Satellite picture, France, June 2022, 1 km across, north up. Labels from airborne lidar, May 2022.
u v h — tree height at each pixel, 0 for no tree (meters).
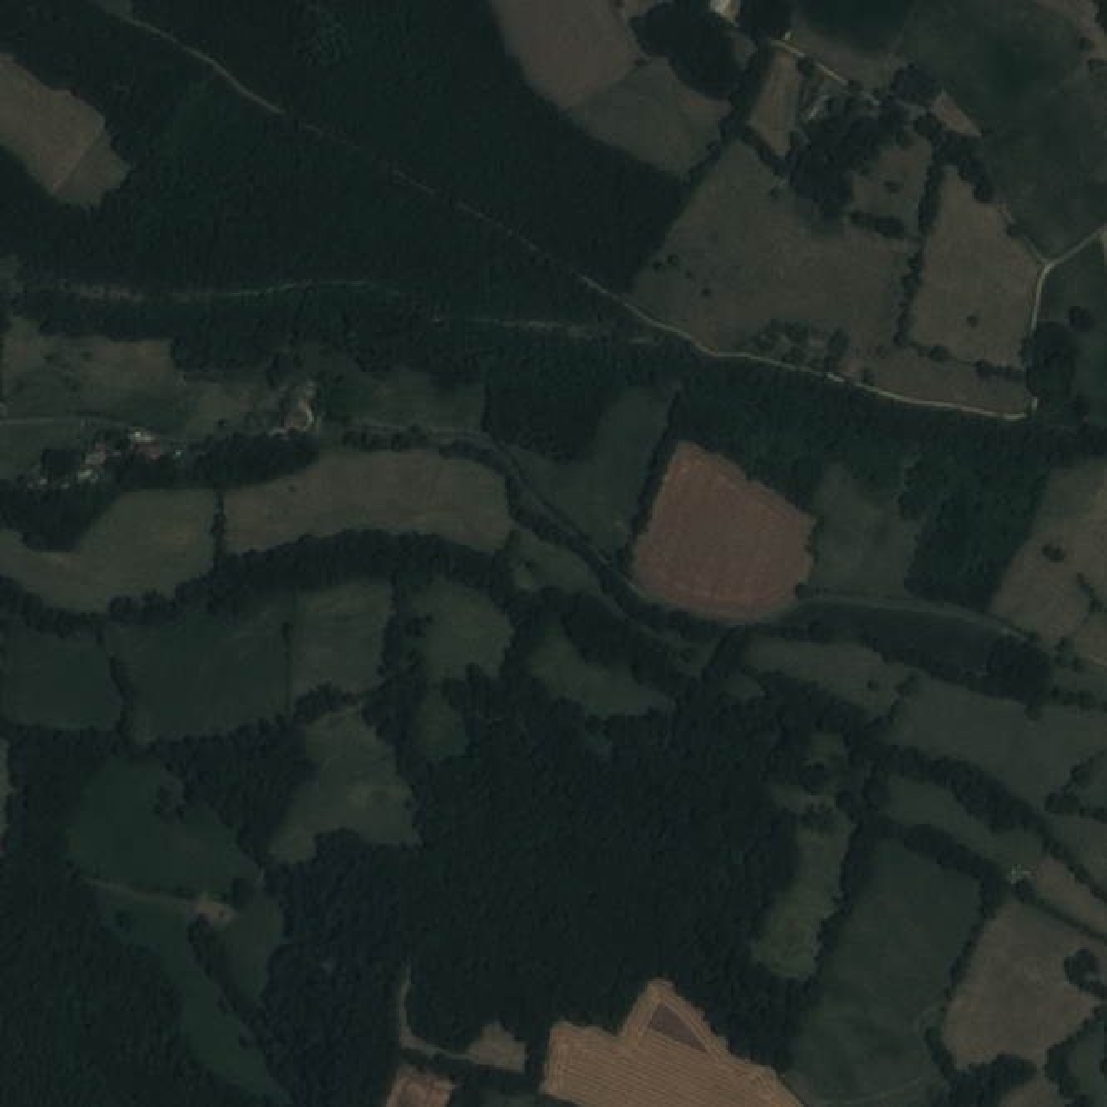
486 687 16
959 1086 16
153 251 10
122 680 16
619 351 17
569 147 14
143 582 0
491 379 18
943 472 8
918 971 0
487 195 13
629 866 19
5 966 17
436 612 0
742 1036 17
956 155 14
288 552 18
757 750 25
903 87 16
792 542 0
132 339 15
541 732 21
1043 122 0
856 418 14
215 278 10
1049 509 0
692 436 15
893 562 0
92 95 15
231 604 21
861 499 0
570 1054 0
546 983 14
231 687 0
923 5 0
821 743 0
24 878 17
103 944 22
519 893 20
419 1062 11
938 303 0
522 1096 7
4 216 17
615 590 20
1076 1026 0
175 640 0
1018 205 0
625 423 0
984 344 0
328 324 22
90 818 0
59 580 0
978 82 0
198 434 0
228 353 19
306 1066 23
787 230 0
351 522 0
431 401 0
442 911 20
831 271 0
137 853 0
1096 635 0
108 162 0
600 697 0
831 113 14
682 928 8
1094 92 0
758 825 23
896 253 0
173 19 14
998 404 0
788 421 15
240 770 24
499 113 13
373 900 29
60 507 19
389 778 0
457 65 11
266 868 19
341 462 0
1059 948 0
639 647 18
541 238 13
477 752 20
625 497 0
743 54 0
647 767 22
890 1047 0
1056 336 18
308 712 25
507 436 17
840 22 0
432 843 18
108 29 11
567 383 17
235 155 6
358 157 10
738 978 21
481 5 17
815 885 0
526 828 19
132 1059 23
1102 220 0
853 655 0
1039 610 0
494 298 10
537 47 0
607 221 13
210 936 16
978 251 0
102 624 6
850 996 0
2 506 19
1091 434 18
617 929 22
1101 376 0
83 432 0
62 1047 15
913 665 13
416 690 16
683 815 24
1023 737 0
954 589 8
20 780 19
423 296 10
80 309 9
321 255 10
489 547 0
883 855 0
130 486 20
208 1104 27
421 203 12
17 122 0
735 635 19
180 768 21
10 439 0
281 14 10
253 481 12
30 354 0
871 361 0
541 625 29
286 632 13
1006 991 0
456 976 14
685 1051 0
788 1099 0
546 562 0
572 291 8
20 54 13
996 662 8
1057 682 0
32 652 0
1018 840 0
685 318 0
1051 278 0
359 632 0
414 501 0
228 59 11
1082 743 0
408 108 12
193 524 0
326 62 16
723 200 0
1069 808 14
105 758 22
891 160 0
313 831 0
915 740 0
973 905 0
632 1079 0
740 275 0
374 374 21
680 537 0
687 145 0
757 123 0
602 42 0
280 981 20
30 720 0
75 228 18
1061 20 0
